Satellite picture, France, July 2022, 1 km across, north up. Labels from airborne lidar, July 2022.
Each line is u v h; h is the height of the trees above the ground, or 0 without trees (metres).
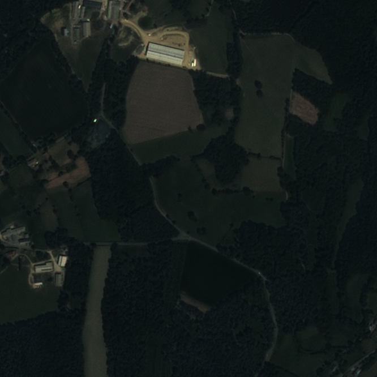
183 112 0
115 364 22
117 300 27
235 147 22
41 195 0
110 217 21
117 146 19
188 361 27
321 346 0
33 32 23
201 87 21
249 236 31
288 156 0
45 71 0
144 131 0
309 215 17
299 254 26
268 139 0
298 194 21
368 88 25
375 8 21
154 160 0
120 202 22
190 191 0
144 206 15
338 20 21
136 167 22
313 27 20
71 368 19
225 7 13
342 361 17
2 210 0
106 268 0
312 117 0
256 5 8
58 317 25
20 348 28
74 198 9
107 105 7
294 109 0
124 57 0
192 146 0
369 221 26
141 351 21
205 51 0
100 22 0
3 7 26
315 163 22
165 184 0
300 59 0
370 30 23
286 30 7
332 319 17
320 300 24
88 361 0
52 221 0
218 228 0
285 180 11
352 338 0
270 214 0
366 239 23
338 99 0
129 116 0
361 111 21
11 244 0
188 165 0
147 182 17
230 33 0
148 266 27
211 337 21
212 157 17
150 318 24
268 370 19
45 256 7
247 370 24
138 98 0
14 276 0
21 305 0
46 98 0
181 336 23
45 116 0
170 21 0
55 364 24
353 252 26
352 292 0
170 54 0
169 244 18
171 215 0
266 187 0
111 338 23
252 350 22
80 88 21
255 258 29
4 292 0
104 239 0
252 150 0
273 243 29
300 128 19
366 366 11
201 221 0
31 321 15
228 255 21
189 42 0
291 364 0
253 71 0
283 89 0
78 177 0
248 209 0
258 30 14
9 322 0
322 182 20
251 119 0
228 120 0
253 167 0
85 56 0
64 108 0
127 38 0
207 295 0
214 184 0
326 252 18
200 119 0
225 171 18
